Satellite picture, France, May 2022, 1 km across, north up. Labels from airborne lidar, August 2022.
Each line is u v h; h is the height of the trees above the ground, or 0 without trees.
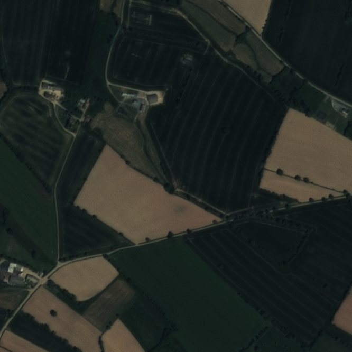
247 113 0
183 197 0
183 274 0
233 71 0
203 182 0
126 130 0
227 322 0
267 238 0
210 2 0
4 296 0
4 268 0
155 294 0
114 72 0
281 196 6
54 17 0
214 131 0
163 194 0
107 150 0
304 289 0
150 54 0
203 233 0
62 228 0
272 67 0
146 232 0
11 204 0
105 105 0
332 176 0
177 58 0
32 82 0
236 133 0
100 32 0
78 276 0
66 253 0
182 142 0
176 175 0
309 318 0
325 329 0
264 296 0
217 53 0
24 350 0
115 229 0
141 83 0
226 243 0
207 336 0
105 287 0
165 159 0
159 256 0
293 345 0
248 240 0
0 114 0
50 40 0
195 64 0
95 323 0
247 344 0
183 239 0
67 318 0
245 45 0
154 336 0
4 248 0
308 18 0
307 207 0
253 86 0
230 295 0
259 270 0
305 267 0
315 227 0
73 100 0
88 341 0
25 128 0
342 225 0
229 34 0
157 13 0
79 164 0
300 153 0
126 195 0
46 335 0
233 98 0
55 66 0
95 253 0
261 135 0
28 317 8
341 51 0
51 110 0
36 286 0
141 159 0
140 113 0
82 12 0
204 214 0
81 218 0
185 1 0
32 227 0
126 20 0
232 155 0
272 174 0
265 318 19
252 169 0
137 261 0
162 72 0
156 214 0
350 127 13
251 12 0
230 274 0
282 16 0
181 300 0
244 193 0
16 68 0
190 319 0
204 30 0
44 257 0
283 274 0
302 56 0
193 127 0
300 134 0
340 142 0
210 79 0
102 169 0
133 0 0
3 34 0
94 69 0
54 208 0
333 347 0
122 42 0
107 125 0
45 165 0
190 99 0
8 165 0
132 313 0
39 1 0
